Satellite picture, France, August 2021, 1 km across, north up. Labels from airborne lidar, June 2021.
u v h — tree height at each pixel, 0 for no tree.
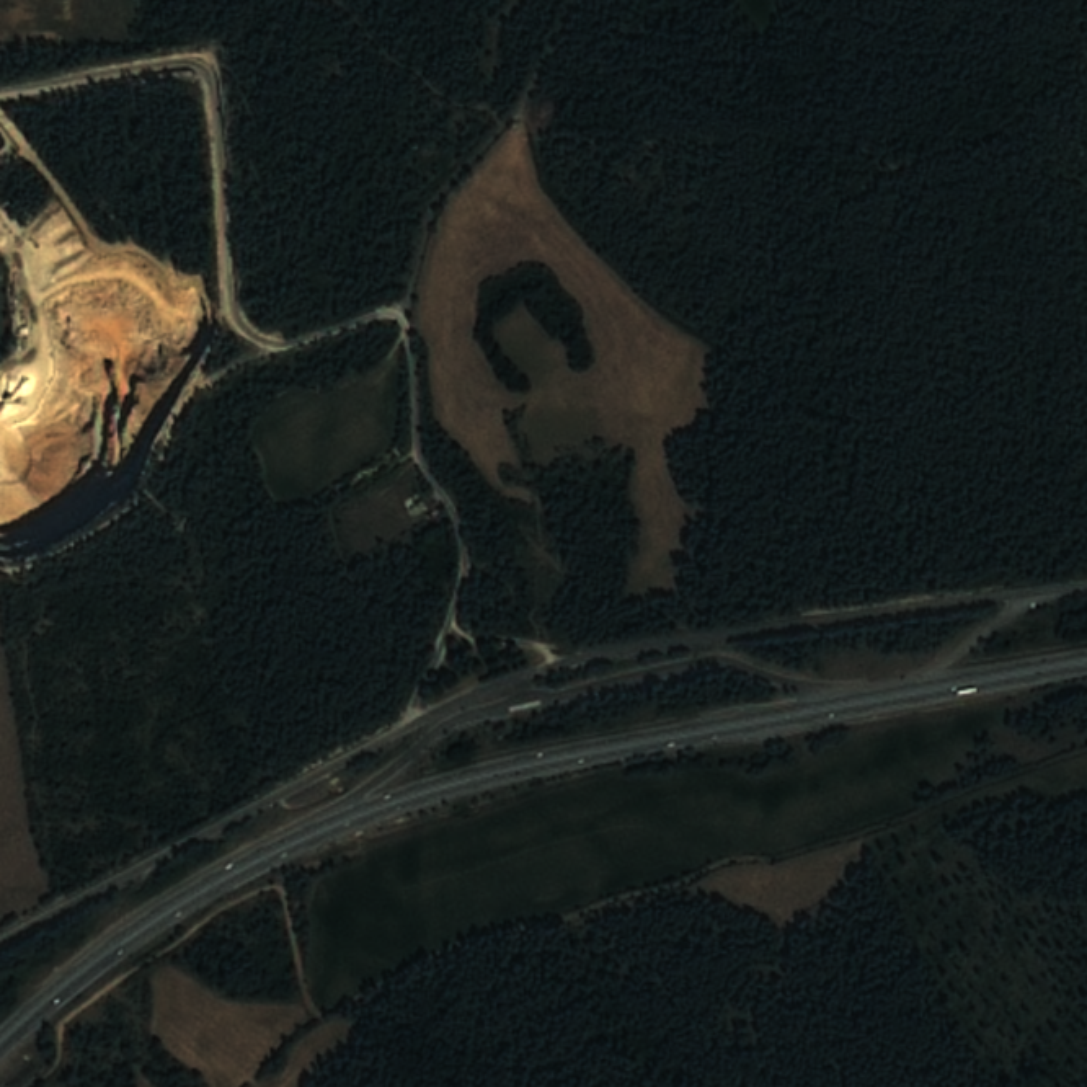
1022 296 12
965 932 15
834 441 14
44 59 16
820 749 11
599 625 13
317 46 8
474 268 0
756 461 22
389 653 9
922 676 0
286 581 11
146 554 10
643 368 0
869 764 0
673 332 0
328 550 14
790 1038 14
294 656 12
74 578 11
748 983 15
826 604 10
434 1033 14
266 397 14
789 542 13
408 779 0
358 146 7
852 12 17
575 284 0
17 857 0
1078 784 0
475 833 0
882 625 9
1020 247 10
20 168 18
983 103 11
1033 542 12
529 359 0
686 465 16
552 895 0
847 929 13
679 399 0
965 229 13
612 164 9
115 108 13
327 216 14
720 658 0
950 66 18
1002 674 0
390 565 6
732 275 14
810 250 14
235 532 9
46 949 8
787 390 17
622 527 13
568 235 0
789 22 9
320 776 0
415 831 0
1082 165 10
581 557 14
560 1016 16
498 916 0
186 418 12
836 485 16
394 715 9
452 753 8
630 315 0
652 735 0
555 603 7
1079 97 14
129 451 0
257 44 8
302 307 8
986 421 12
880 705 0
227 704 10
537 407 0
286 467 0
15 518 0
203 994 0
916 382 11
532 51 11
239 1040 0
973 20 13
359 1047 13
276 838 0
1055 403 12
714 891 0
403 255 8
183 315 0
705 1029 15
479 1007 14
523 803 0
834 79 17
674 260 11
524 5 11
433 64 11
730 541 21
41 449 0
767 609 15
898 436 14
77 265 0
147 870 0
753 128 14
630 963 11
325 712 12
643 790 0
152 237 16
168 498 9
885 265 13
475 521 12
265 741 11
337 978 0
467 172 13
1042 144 14
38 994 0
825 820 0
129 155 10
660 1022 18
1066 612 11
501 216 0
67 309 0
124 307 0
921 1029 19
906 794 0
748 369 14
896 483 14
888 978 16
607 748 0
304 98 15
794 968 10
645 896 8
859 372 11
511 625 9
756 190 14
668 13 10
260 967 10
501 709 0
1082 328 13
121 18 0
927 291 10
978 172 12
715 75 14
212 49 0
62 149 17
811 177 13
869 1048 19
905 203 11
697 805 0
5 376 0
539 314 14
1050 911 14
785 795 0
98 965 0
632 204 12
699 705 7
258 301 12
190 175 18
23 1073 0
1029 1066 8
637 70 6
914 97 16
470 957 15
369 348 10
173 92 12
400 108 10
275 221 10
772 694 9
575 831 0
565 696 0
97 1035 10
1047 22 15
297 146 7
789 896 0
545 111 0
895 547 14
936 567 16
